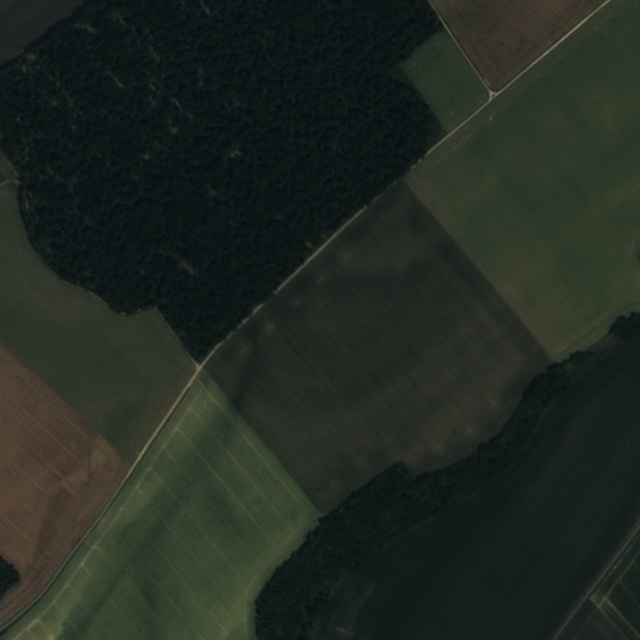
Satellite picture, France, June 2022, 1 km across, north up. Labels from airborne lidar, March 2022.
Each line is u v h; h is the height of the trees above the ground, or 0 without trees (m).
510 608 0
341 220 10
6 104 19
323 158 23
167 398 0
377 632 0
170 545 0
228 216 23
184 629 0
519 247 0
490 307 0
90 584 0
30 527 0
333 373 0
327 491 0
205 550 0
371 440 0
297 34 21
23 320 0
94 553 0
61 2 0
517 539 0
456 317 0
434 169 0
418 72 0
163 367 0
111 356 0
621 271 0
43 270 0
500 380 0
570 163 0
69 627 0
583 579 0
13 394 0
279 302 0
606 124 0
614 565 0
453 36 0
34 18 0
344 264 0
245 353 0
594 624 0
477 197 0
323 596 13
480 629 0
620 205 0
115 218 18
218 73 20
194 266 25
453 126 0
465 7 0
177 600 0
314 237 14
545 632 0
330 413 0
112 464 0
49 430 0
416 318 0
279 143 18
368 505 20
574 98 0
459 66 0
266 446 0
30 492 0
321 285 0
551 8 0
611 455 0
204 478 0
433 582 0
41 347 0
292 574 14
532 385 15
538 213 0
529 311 0
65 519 0
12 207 0
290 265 18
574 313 0
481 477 10
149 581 0
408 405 0
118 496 0
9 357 0
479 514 0
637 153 0
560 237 0
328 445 0
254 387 0
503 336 0
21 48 0
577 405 0
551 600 0
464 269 0
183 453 0
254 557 0
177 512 0
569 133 0
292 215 23
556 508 0
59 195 9
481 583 0
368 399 0
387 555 0
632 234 0
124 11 11
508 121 0
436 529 0
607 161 0
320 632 0
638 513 0
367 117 21
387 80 16
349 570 16
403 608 0
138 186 24
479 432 0
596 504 0
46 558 0
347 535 14
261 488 0
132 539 0
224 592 0
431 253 0
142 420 0
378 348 0
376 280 0
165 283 21
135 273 24
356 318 0
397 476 11
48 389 0
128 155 21
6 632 0
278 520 0
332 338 0
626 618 0
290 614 20
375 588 0
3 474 0
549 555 0
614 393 0
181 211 23
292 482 0
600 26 0
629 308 0
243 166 23
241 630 0
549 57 0
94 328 0
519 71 0
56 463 0
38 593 0
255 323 0
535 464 0
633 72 0
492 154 0
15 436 0
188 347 14
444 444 0
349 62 17
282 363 0
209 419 0
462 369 0
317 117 19
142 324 0
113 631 0
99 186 22
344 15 23
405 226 0
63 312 0
